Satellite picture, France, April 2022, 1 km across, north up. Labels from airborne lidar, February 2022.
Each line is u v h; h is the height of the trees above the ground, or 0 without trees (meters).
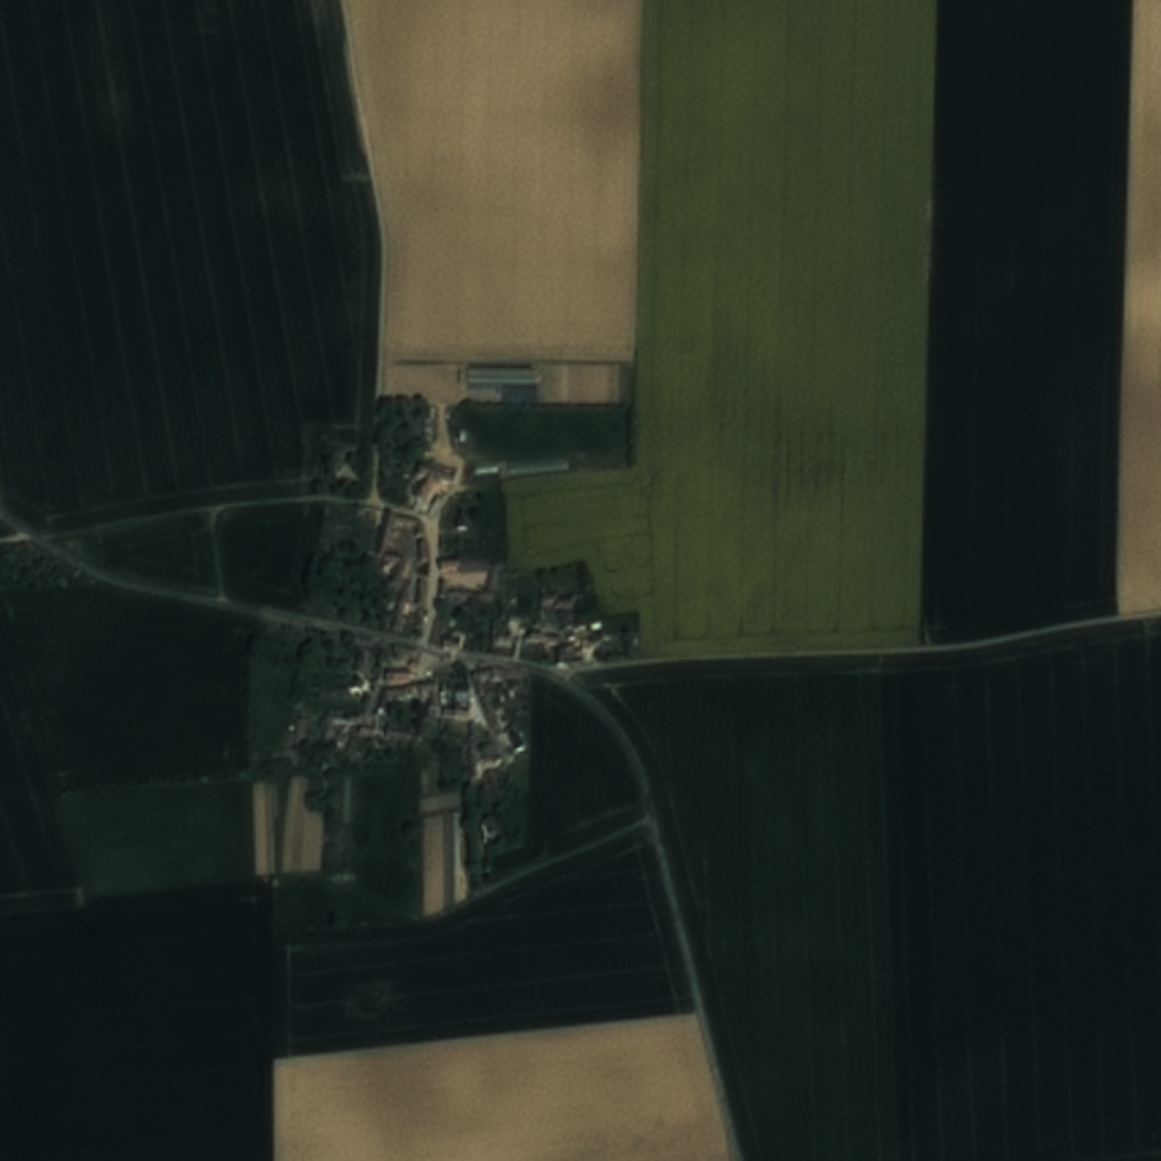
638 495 0
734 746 0
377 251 0
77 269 0
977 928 0
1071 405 0
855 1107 0
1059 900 0
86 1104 0
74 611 0
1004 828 0
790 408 0
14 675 0
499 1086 0
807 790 0
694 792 0
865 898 0
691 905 0
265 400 0
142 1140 0
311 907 0
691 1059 0
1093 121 0
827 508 0
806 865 0
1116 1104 0
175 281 0
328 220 0
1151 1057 0
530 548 0
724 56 0
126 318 0
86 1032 0
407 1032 0
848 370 0
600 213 0
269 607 0
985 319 0
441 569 0
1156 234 0
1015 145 0
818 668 0
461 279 0
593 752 0
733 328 0
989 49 0
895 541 0
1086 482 0
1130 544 0
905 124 0
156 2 0
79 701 0
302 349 0
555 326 0
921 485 0
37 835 0
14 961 0
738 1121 0
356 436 0
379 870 0
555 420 0
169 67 0
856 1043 0
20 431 0
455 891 0
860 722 0
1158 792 0
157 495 0
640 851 0
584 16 0
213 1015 0
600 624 0
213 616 0
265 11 0
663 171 0
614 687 0
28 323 0
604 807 0
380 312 0
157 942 0
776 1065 0
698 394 0
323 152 0
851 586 0
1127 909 0
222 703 0
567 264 0
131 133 0
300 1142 0
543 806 0
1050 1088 0
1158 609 0
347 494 11
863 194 0
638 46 0
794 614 0
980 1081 0
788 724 0
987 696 0
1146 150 0
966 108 0
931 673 0
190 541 0
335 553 6
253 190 0
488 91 0
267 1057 0
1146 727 0
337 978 0
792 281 0
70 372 0
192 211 0
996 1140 0
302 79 0
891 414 0
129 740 0
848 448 0
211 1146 0
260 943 0
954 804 0
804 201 0
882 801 0
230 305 0
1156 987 0
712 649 0
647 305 0
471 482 0
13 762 0
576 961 0
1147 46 0
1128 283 0
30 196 0
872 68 0
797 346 0
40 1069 0
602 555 0
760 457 0
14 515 0
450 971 0
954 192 0
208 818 0
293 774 0
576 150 0
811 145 0
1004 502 0
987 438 0
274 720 0
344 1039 0
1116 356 0
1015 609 0
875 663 0
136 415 0
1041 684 0
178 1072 0
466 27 0
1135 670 0
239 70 0
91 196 0
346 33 0
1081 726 0
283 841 0
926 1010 0
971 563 0
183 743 0
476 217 0
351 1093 0
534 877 0
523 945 0
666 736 0
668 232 0
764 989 0
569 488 0
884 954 0
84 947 0
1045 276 0
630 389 0
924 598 0
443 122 0
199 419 0
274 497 0
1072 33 0
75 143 0
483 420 0
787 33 0
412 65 0
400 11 0
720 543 0
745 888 0
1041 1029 0
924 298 0
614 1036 0
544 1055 0
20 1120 0
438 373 0
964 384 0
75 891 0
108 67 0
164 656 0
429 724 0
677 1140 0
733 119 0
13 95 0
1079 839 0
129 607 0
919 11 0
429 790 0
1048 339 0
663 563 0
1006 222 0
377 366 0
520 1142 0
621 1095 0
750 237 0
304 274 0
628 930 0
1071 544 0
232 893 0
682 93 0
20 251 0
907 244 0
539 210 0
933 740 0
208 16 0
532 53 0
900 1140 0
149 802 0
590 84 0
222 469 0
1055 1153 0
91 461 0
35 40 0
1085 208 0
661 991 0
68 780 0
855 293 0
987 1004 0
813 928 0
